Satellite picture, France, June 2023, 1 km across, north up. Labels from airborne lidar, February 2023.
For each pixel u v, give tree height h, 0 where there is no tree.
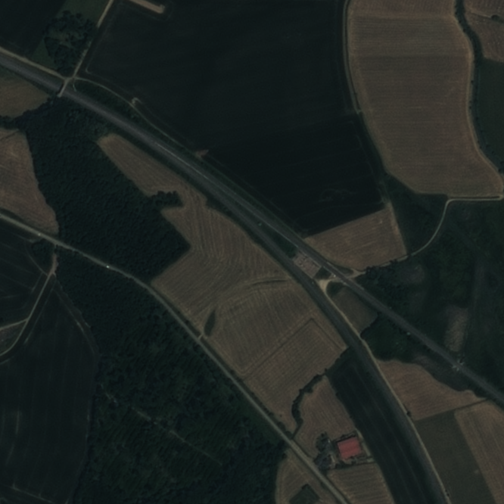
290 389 0
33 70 0
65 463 0
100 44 0
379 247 0
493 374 0
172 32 0
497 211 0
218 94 0
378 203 0
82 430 0
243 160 0
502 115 0
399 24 0
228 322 0
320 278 0
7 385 0
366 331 11
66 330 0
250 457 25
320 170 0
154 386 27
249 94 0
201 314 0
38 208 0
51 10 0
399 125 0
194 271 0
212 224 0
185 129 0
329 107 0
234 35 0
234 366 0
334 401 0
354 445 0
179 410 29
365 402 0
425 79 0
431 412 0
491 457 0
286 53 0
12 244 0
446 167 0
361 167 0
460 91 0
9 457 0
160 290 0
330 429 0
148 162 0
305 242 0
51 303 0
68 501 0
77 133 21
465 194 0
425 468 0
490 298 0
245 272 0
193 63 0
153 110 0
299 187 0
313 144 0
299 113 0
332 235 0
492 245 0
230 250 0
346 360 0
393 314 0
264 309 0
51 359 0
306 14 0
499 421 0
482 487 0
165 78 0
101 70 0
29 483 0
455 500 0
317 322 0
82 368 0
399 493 0
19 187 0
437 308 0
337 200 0
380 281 24
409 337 14
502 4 0
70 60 23
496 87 0
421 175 0
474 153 0
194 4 0
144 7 0
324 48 0
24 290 0
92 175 18
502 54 0
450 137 0
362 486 0
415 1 0
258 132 0
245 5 0
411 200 0
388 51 0
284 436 0
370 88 0
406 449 0
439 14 0
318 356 0
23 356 0
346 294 0
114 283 14
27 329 0
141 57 0
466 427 0
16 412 0
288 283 0
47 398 0
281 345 0
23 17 0
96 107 0
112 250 20
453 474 0
